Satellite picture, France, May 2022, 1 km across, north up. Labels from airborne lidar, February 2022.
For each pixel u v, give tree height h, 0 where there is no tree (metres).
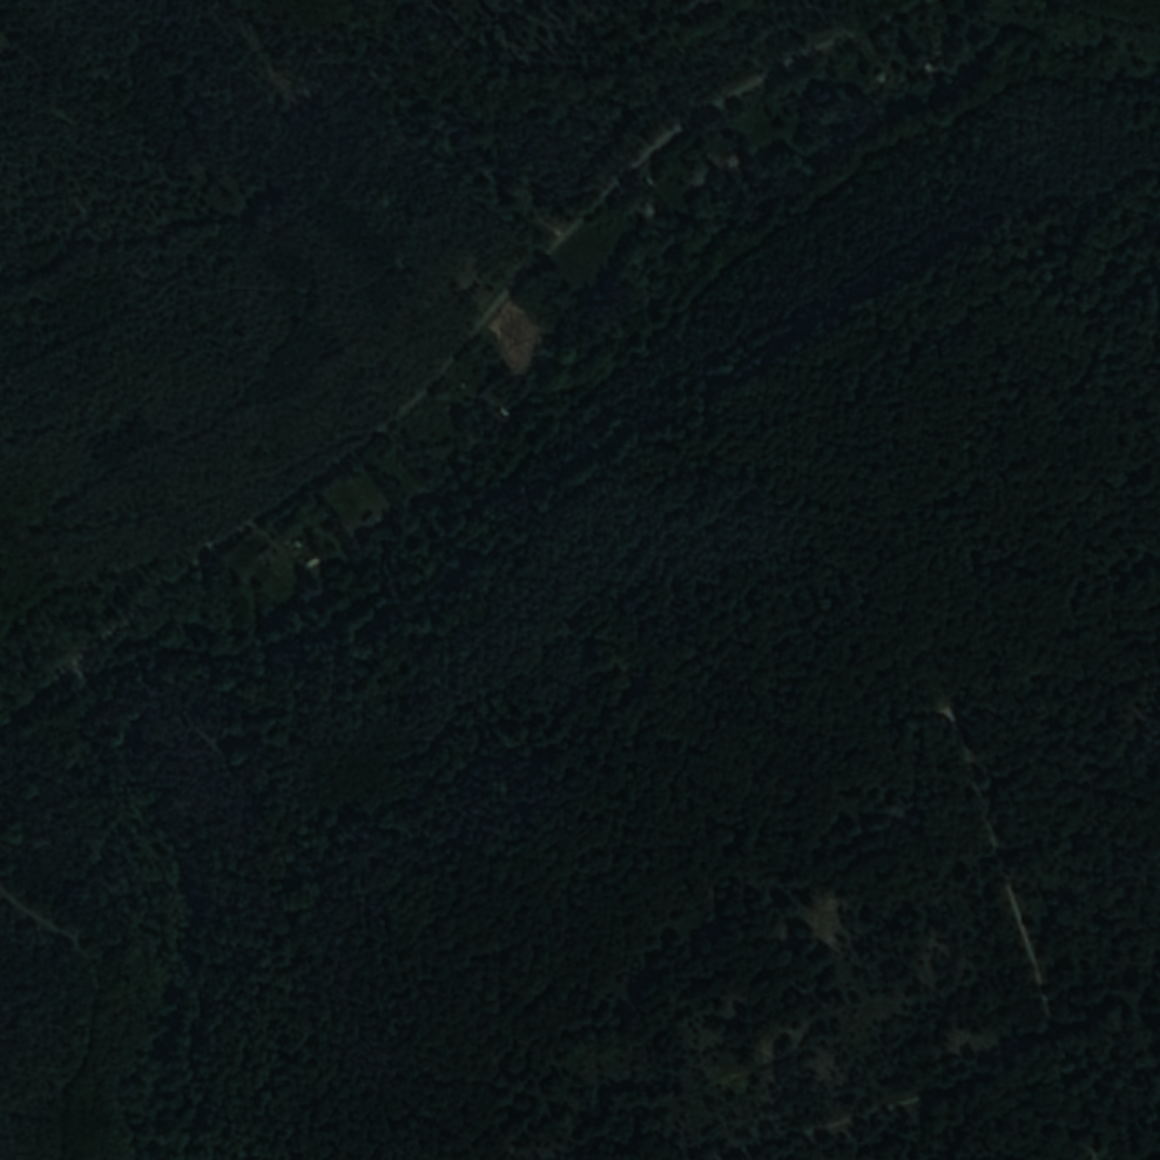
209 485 26
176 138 19
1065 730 29
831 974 18
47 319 9
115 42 30
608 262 0
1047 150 17
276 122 33
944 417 28
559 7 34
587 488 23
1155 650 26
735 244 16
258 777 28
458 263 11
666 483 16
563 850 33
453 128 36
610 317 28
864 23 24
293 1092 33
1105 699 25
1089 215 23
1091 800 26
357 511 0
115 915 23
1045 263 14
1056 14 24
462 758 31
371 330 18
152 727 27
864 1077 8
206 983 30
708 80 27
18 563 14
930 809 27
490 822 34
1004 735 28
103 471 13
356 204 23
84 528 24
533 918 29
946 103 22
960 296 29
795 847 24
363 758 15
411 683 19
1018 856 23
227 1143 31
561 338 24
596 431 11
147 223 11
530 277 14
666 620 27
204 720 19
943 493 13
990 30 20
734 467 12
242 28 36
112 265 19
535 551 26
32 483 14
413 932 27
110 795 31
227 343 14
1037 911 0
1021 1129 28
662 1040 11
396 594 8
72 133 11
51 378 15
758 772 28
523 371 25
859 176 15
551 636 18
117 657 24
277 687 28
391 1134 29
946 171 16
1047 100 23
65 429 18
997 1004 8
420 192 18
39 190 10
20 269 12
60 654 27
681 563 24
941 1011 10
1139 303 30
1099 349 32
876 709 28
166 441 13
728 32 30
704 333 13
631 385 16
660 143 0
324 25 22
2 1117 17
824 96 26
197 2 34
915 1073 12
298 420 13
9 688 31
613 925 29
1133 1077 28
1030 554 28
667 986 24
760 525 28
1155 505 29
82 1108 13
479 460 21
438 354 22
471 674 19
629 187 23
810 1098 9
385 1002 29
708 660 27
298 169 29
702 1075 10
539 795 29
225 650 23
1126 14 21
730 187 23
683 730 32
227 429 17
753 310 17
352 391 26
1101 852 23
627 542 27
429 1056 29
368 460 17
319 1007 27
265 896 30
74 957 16
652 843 28
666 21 18
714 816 23
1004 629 24
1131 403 33
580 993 26
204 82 32
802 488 26
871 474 28
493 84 26
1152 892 31
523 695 16
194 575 20
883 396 29
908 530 28
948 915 7
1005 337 24
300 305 14
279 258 21
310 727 23
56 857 13
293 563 0
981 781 26
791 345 27
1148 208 29
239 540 15
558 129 29
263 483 28
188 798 20
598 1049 25
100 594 17
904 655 24
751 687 32
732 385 24
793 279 19
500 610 22
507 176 37
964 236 7
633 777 31
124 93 23
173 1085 35
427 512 23
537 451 10
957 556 19
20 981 15
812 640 25
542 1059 22
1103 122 20
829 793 23
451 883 27
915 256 12
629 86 33
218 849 22
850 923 11
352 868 28
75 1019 16
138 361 20
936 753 27
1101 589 29
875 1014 0
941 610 24
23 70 10
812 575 29
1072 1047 30
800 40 28
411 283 19
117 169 11
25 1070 16
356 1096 27
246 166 27
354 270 24
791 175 33
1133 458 29
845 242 13
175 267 14
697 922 0
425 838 35
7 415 15
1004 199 10
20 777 13
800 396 27
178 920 25
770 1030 11
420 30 29
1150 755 32
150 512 23
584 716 29
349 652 31
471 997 27
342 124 25
